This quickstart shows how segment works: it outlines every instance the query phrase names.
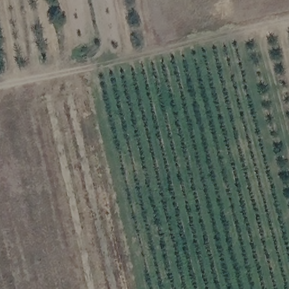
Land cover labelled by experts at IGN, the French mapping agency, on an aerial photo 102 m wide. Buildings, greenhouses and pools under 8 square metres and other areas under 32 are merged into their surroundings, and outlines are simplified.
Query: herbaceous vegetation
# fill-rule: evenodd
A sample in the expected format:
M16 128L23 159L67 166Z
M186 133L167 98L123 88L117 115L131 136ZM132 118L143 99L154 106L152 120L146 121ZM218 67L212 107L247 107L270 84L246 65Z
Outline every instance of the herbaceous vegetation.
M65 23L62 27L54 29L47 14L50 7L46 0L0 0L0 82L10 78L73 68L77 65L81 67L81 73L88 79L90 72L96 70L96 63L86 62L79 63L73 60L72 50L86 45L94 38L99 38L94 0L61 0L60 9L64 12ZM43 37L47 43L45 61L40 59L41 54L36 46L33 32L35 24L41 24L43 28Z
M281 36L278 40L274 35L259 37L253 33L252 40L260 46L262 54L262 60L254 67L257 73L256 81L270 86L289 78L289 34L286 37Z

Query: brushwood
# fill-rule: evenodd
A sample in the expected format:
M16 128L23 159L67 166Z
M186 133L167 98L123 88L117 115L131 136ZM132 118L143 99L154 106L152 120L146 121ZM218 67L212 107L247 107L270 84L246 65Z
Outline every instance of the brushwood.
M99 38L94 38L86 45L72 50L73 60L79 63L86 62L87 58L95 55L99 49Z

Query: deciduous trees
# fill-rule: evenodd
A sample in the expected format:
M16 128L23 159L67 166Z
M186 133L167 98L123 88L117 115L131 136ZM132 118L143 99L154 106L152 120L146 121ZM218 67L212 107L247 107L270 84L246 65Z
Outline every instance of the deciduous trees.
M64 12L60 9L61 0L46 0L50 7L47 14L54 29L62 27L65 23Z
M134 0L124 0L129 25L140 23Z
M36 46L41 54L40 59L45 61L47 43L43 37L43 28L41 24L35 24L33 32Z

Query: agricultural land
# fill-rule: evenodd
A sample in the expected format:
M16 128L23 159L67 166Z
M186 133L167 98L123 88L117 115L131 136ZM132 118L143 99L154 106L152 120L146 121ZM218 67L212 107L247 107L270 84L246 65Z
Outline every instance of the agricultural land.
M88 79L81 73L43 80L38 85L32 82L19 87L0 89L0 289L289 289L289 78L270 86L256 81L257 73L254 67L262 60L262 54L260 46L252 40L246 43L233 41L221 46L207 46L205 49L199 45L194 50L185 49L183 53L177 51L174 54L156 55L151 60L135 62L133 68L129 63L115 65L113 70L105 69L102 72L103 78L99 79L102 87L100 91L91 91L93 82Z
M99 49L95 55L99 58L106 52L117 55L124 51L130 54L133 46L141 46L142 43L147 45L148 49L154 50L157 47L185 41L187 35L193 32L217 30L225 25L246 26L275 17L289 18L289 0L134 0L140 23L129 25L124 0L94 0L99 38Z

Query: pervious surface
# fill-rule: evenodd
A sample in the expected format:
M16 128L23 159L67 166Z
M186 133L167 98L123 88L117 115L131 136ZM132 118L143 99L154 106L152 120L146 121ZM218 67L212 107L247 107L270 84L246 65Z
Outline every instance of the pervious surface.
M10 78L0 82L0 89L19 87L32 82L38 85L43 80L81 73L81 67L77 65L73 68Z
M102 87L99 79L103 78L102 72L105 69L113 70L115 65L129 63L133 68L135 62L151 60L156 55L174 54L177 51L183 53L185 49L194 50L199 45L205 49L207 46L221 46L233 41L246 43L252 40L253 33L259 37L274 35L278 40L281 36L286 37L289 34L289 18L275 17L246 26L225 25L217 30L193 32L187 35L185 41L157 47L154 50L148 49L147 45L142 43L141 46L133 46L130 54L124 51L117 55L106 52L99 58L95 55L87 58L86 62L96 63L96 70L90 72L88 79L93 82L91 91L100 91Z

